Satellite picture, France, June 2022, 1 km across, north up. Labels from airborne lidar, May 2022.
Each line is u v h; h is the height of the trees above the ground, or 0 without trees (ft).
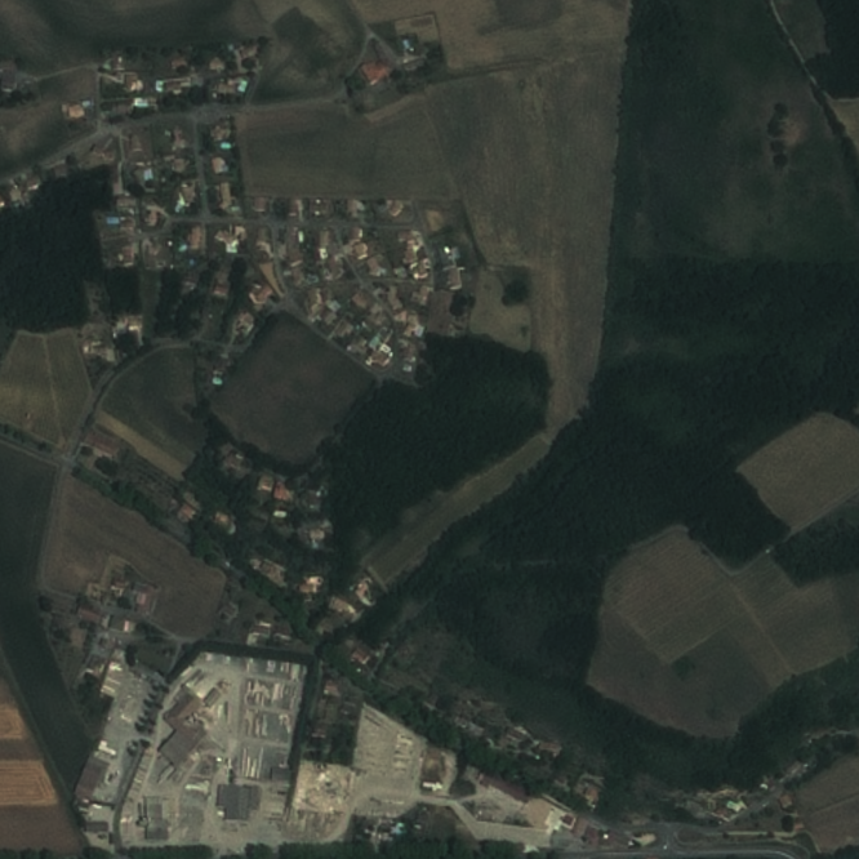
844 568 41
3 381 0
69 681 0
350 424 20
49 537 0
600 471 42
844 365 47
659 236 29
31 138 0
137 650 28
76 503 0
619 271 19
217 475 41
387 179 0
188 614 0
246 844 0
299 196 0
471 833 0
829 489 0
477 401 38
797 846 0
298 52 0
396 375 0
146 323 0
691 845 0
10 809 0
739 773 35
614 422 54
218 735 0
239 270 48
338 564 27
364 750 0
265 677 0
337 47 0
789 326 35
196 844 0
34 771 0
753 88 0
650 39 37
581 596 38
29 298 46
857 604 0
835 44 47
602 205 0
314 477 37
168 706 0
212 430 54
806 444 0
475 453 38
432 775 0
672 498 71
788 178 0
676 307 25
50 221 49
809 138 0
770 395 61
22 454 0
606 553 37
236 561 35
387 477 56
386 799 0
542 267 0
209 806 0
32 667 0
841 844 0
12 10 0
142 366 0
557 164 0
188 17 0
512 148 0
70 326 53
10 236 67
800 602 0
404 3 0
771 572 0
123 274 47
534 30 0
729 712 0
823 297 56
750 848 0
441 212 0
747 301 45
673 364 33
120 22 0
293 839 0
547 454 22
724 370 32
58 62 0
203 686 0
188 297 19
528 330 0
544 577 39
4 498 0
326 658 85
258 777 0
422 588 53
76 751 0
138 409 0
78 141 0
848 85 48
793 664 0
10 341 19
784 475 0
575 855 0
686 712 0
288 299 0
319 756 55
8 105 42
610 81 0
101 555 0
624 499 46
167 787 0
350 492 31
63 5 0
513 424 43
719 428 46
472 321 0
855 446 0
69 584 0
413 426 42
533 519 62
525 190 0
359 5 0
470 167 0
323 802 0
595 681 0
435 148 0
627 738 29
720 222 0
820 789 0
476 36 0
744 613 0
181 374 0
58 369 0
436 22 0
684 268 30
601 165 0
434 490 38
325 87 0
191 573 0
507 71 0
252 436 0
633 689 0
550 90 0
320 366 0
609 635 0
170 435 0
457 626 32
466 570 24
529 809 0
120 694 0
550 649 26
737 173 0
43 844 0
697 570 0
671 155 0
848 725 24
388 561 0
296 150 0
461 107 0
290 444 0
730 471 41
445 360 20
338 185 0
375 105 0
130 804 0
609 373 35
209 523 23
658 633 0
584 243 0
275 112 0
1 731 0
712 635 0
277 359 0
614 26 0
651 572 0
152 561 0
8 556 0
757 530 43
